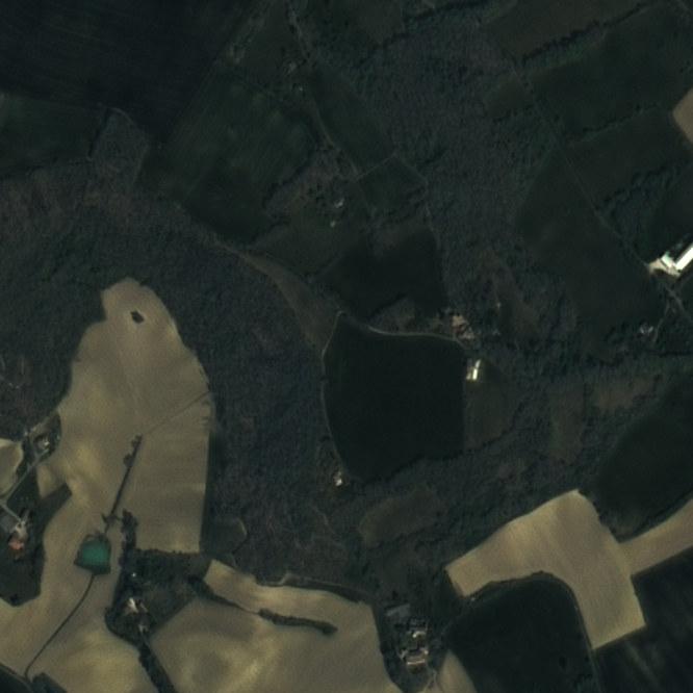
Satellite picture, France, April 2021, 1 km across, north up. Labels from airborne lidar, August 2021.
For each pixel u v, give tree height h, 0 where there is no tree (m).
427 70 18
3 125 0
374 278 0
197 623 0
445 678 0
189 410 0
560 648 0
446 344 0
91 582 0
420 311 0
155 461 0
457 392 0
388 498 15
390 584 0
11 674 0
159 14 0
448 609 0
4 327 10
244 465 12
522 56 0
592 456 7
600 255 0
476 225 18
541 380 23
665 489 0
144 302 0
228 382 14
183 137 0
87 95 0
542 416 18
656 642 0
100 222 19
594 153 0
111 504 0
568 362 10
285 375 12
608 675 0
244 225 0
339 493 0
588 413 6
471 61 17
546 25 0
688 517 0
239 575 0
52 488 0
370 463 0
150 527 0
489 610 0
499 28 0
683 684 0
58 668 0
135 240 20
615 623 0
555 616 0
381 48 13
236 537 0
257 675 0
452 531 13
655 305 0
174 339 0
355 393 0
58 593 0
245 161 0
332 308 12
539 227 0
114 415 0
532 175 8
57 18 0
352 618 0
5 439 14
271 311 14
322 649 0
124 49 0
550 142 11
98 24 0
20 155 0
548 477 23
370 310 0
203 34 0
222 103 0
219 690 0
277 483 11
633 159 0
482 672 0
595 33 21
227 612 0
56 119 0
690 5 0
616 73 0
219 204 0
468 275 26
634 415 9
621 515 0
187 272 17
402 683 20
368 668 0
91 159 10
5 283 16
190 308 18
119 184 11
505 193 19
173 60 0
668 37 0
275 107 0
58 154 0
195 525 0
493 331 21
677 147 0
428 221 9
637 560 0
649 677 0
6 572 0
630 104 0
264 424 11
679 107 0
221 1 0
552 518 0
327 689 0
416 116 16
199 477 0
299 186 18
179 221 16
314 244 0
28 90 0
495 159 20
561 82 0
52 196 14
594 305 0
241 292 21
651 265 0
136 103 0
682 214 0
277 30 0
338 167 13
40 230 12
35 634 0
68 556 0
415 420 0
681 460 0
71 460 0
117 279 21
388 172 0
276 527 6
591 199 0
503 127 9
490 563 0
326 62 11
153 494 0
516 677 0
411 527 0
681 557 0
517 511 18
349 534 14
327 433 13
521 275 19
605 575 0
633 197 11
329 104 0
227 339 15
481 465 18
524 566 0
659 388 13
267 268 0
